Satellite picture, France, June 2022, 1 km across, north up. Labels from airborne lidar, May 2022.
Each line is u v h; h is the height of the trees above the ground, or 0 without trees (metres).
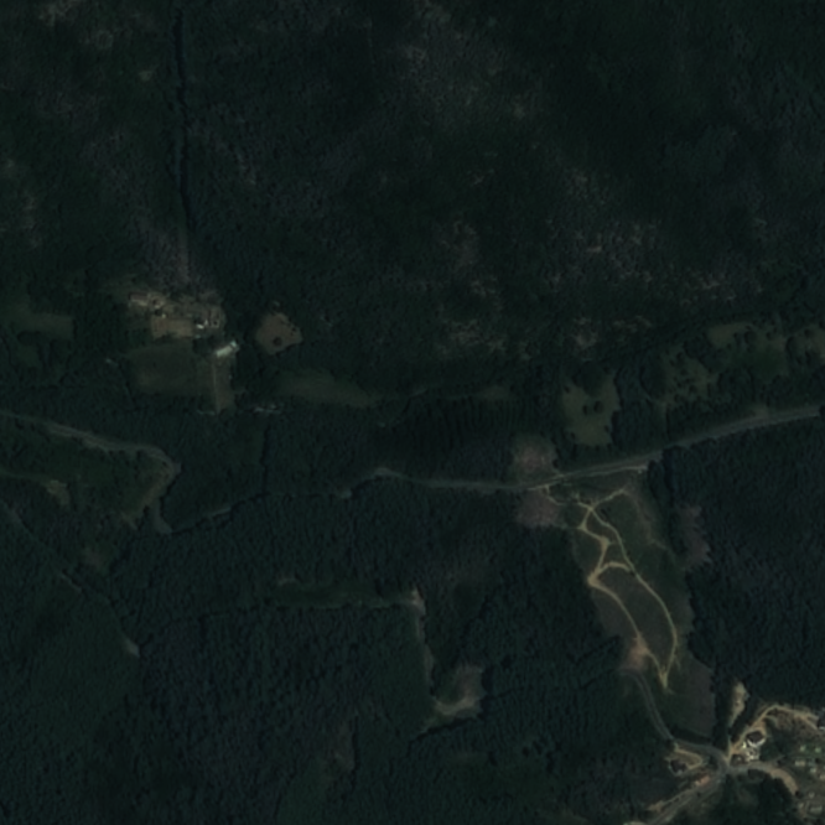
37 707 21
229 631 30
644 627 0
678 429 14
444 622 18
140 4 12
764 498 26
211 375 0
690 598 0
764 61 13
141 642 23
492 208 17
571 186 9
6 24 12
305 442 22
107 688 32
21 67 11
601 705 27
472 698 0
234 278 11
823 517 24
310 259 15
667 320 17
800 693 21
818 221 17
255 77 18
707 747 0
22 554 34
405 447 18
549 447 0
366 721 18
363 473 20
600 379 14
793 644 22
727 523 17
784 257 14
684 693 0
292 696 37
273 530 34
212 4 17
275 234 14
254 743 16
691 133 13
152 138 16
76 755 23
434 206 13
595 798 14
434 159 13
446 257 18
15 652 26
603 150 17
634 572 15
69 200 14
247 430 20
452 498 16
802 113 18
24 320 0
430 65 7
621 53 18
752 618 23
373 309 19
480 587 8
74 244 17
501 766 25
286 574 40
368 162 11
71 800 25
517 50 13
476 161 9
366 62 13
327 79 11
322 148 13
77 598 22
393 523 32
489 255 14
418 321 19
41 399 31
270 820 19
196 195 40
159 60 12
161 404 19
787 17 20
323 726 19
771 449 14
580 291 10
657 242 9
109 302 16
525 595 28
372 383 17
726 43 14
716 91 17
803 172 10
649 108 18
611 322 16
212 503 17
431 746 38
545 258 11
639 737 15
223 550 36
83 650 29
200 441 29
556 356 18
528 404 12
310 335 9
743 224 15
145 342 11
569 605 18
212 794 27
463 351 11
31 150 10
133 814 23
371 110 13
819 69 15
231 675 38
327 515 40
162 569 26
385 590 20
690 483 27
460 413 16
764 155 19
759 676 17
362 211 11
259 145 18
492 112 10
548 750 28
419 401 15
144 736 22
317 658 23
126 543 21
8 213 9
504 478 17
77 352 11
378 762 34
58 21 9
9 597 24
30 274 11
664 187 20
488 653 33
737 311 16
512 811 31
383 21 9
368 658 35
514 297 16
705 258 11
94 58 15
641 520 0
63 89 19
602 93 27
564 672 36
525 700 36
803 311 15
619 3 15
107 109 15
